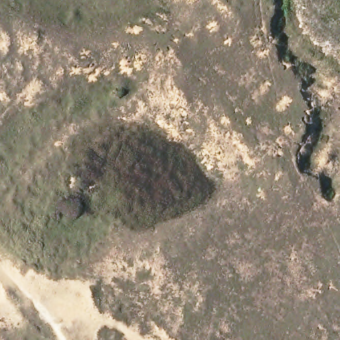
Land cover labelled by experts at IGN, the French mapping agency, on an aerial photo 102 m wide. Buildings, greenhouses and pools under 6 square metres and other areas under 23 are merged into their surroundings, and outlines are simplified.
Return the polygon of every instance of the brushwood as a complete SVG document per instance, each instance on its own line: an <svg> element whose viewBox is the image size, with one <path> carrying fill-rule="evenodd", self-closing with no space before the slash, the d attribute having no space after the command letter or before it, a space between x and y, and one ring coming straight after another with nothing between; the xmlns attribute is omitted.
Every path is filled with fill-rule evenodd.
<svg viewBox="0 0 340 340"><path fill-rule="evenodd" d="M86 195L85 195L85 194L80 194L80 193L78 193L78 195L80 195L80 209L78 209L78 212L77 212L77 216L76 216L76 218L72 218L72 219L76 219L76 220L77 220L77 219L80 219L80 218L81 218L81 216L82 216L82 215L84 215L84 214L86 214L86 215L92 215L92 214L93 214L93 210L92 210L92 209L90 209L90 201L92 201L92 199L90 199L89 197L86 197Z"/></svg>
<svg viewBox="0 0 340 340"><path fill-rule="evenodd" d="M316 72L315 66L311 64L300 61L288 48L288 37L284 33L286 20L283 15L283 0L274 0L275 11L270 25L271 35L278 41L278 60L290 62L292 72L301 82L300 94L307 108L311 106L311 93L308 92L308 88L315 82L313 73Z"/></svg>
<svg viewBox="0 0 340 340"><path fill-rule="evenodd" d="M332 179L321 171L320 182L321 197L325 201L332 199L335 197L335 190L332 187Z"/></svg>

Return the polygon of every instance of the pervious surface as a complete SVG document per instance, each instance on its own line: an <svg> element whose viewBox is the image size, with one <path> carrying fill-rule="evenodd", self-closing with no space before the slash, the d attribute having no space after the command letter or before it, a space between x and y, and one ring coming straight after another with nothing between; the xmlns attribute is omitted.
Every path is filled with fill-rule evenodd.
<svg viewBox="0 0 340 340"><path fill-rule="evenodd" d="M27 325L27 320L23 319L5 294L8 288L19 288L21 294L33 301L41 319L53 328L58 340L97 340L98 331L105 325L117 328L124 333L126 340L153 340L139 335L138 324L127 327L122 321L113 319L112 313L98 312L90 291L92 284L89 280L50 280L35 270L29 270L27 274L21 275L20 270L12 266L11 260L0 262L0 328L24 328Z"/></svg>

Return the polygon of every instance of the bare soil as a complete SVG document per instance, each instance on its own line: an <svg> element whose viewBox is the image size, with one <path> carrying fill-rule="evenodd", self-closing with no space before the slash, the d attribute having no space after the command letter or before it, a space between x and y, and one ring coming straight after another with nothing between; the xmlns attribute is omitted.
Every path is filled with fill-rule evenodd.
<svg viewBox="0 0 340 340"><path fill-rule="evenodd" d="M309 9L301 4L301 0L292 0L303 35L307 35L313 45L321 46L324 54L335 58L340 65L340 45L315 37L315 33L304 25L303 12L308 12Z"/></svg>
<svg viewBox="0 0 340 340"><path fill-rule="evenodd" d="M242 282L250 282L255 275L262 272L251 263L242 263L238 258L232 258L232 264L239 272Z"/></svg>
<svg viewBox="0 0 340 340"><path fill-rule="evenodd" d="M117 328L105 325L98 331L97 340L126 340L124 333Z"/></svg>
<svg viewBox="0 0 340 340"><path fill-rule="evenodd" d="M292 72L290 62L278 60L278 41L271 35L270 25L262 21L260 28L240 27L239 16L222 0L153 0L154 5L159 7L159 13L154 20L141 17L135 23L135 27L126 29L118 29L113 24L88 24L82 28L81 36L64 31L60 25L53 24L49 25L49 32L40 45L37 45L39 24L25 24L24 20L15 20L12 23L12 31L8 33L3 31L0 24L0 126L4 117L16 108L19 110L17 117L24 116L25 120L29 120L32 117L31 106L39 105L44 100L41 93L56 92L57 81L62 77L62 73L85 74L92 82L96 81L100 74L105 74L117 89L130 90L129 96L121 102L121 117L118 117L118 120L138 122L143 126L149 126L151 130L161 127L166 130L169 141L181 142L190 149L205 170L206 177L215 183L216 207L235 203L240 210L254 212L260 199L266 198L264 191L268 186L278 191L282 199L288 199L291 189L290 178L276 163L276 155L283 155L283 145L290 149L291 163L297 163L300 173L320 182L321 171L332 179L332 187L335 190L335 197L332 199L335 202L340 201L340 77L331 77L331 68L324 61L313 58L311 64L315 66L316 72L313 73L315 82L308 88L308 92L311 93L311 106L307 108L300 94L301 82Z"/></svg>
<svg viewBox="0 0 340 340"><path fill-rule="evenodd" d="M5 294L23 319L27 320L27 325L24 328L0 328L0 340L58 340L53 328L41 319L33 301L21 294L19 288L8 288Z"/></svg>
<svg viewBox="0 0 340 340"><path fill-rule="evenodd" d="M319 288L315 290L305 284L307 276L304 275L295 251L291 252L291 260L287 267L294 275L297 288L301 290L300 299L305 300L321 294L323 283L317 283Z"/></svg>
<svg viewBox="0 0 340 340"><path fill-rule="evenodd" d="M62 126L62 135L54 142L54 146L61 146L68 151L68 139L76 133L74 124L66 124Z"/></svg>
<svg viewBox="0 0 340 340"><path fill-rule="evenodd" d="M92 284L90 291L98 312L112 313L113 319L122 321L127 327L138 324L139 335L153 340L174 340L183 323L185 304L193 304L193 311L198 312L205 299L199 294L199 284L185 282L183 290L179 291L178 284L174 283L173 272L169 270L169 264L163 259L163 239L157 227L135 232L125 226L109 226L105 239L92 243L89 256L78 256L76 260L65 262L58 258L49 258L48 255L42 256L41 260L37 260L37 254L29 258L28 251L23 250L17 236L13 239L8 238L3 228L0 230L0 262L11 260L12 266L20 270L21 275L27 274L29 270L35 270L50 280L89 280Z"/></svg>

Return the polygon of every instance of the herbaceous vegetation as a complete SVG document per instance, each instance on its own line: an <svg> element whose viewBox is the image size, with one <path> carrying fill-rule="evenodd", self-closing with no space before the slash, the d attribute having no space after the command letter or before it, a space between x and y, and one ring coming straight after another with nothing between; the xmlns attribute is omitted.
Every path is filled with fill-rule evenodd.
<svg viewBox="0 0 340 340"><path fill-rule="evenodd" d="M313 45L307 35L303 35L292 0L283 0L283 15L286 20L284 33L288 37L288 48L300 61L311 64L313 58L324 61L331 68L331 77L340 77L340 65L335 58L324 54L321 46Z"/></svg>
<svg viewBox="0 0 340 340"><path fill-rule="evenodd" d="M153 0L0 0L0 24L3 31L8 33L12 31L12 23L15 20L24 20L25 24L39 24L37 45L40 45L49 32L49 25L53 24L60 25L64 31L81 36L82 28L88 24L113 24L118 29L126 29L135 27L135 23L141 17L154 20L159 13L159 7L154 5Z"/></svg>
<svg viewBox="0 0 340 340"><path fill-rule="evenodd" d="M149 126L143 126L138 122L118 120L118 117L121 117L121 102L129 96L130 90L117 89L105 74L100 74L96 81L92 82L85 74L62 73L62 77L57 81L56 92L41 93L44 100L39 105L31 106L32 117L29 120L25 120L24 116L17 117L19 110L16 108L4 117L0 126L0 230L3 228L8 238L13 239L17 236L23 250L28 251L29 258L37 254L37 260L41 260L42 256L48 255L49 258L58 258L65 262L76 260L78 256L89 256L92 243L105 239L109 226L125 226L135 232L157 227L163 239L163 259L169 264L169 270L173 272L174 283L178 284L179 291L183 290L185 282L199 284L199 294L205 299L198 312L193 311L193 304L185 304L183 323L174 340L340 340L340 201L335 202L332 199L325 201L321 197L320 182L300 173L297 163L291 163L290 149L283 145L283 155L276 155L276 163L290 178L291 189L288 199L282 199L278 191L268 186L264 191L266 198L260 199L254 212L240 210L235 203L216 207L215 183L206 177L205 170L190 149L181 142L169 141L166 130L161 127L151 130ZM68 139L68 151L61 146L54 146L54 142L62 135L62 126L66 124L74 124L76 133ZM78 195L78 193L80 193L80 194L85 194L85 195L86 195L86 197L89 197L90 199L92 199L92 201L90 201L90 209L92 209L92 210L93 210L93 214L92 214L92 215L86 215L86 214L84 214L84 215L82 215L82 216L81 216L81 218L80 218L80 219L77 219L77 220L76 220L76 219L72 219L72 218L76 218L76 216L77 216L77 212L78 212L78 209L80 209L80 195ZM297 288L294 275L287 267L291 260L291 252L295 251L304 275L307 276L305 284L315 290L319 288L317 283L323 283L321 294L305 300L300 299L301 290ZM255 275L250 282L242 282L239 272L232 264L232 258L238 258L242 263L251 263L262 272Z"/></svg>
<svg viewBox="0 0 340 340"><path fill-rule="evenodd" d="M260 28L262 21L270 25L275 11L274 0L222 0L239 16L240 27Z"/></svg>
<svg viewBox="0 0 340 340"><path fill-rule="evenodd" d="M309 9L308 12L303 12L304 25L315 33L315 37L340 45L340 0L301 0L301 4Z"/></svg>

